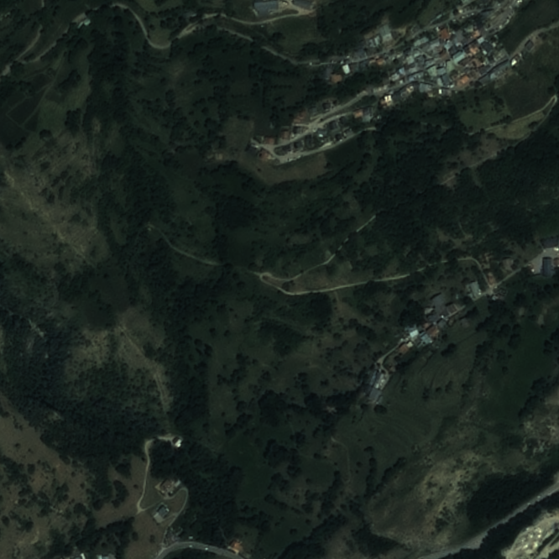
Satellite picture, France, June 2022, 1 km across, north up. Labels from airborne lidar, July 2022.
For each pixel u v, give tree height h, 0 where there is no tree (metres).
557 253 0
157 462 12
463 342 0
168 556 0
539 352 0
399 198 14
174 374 18
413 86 0
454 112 10
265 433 0
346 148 0
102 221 7
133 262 17
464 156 0
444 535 0
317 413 19
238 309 0
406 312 8
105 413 17
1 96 15
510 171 14
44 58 9
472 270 6
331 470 0
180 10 9
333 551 0
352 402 14
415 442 0
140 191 15
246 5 0
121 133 8
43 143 0
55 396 18
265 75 13
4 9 8
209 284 10
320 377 0
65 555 11
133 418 15
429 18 0
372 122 9
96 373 9
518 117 0
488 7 8
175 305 13
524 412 13
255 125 0
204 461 16
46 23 15
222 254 16
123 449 6
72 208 0
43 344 16
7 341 12
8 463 8
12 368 11
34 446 0
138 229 10
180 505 0
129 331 0
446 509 6
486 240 8
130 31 0
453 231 14
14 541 0
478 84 9
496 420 0
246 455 0
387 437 0
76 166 0
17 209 0
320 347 7
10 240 0
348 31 13
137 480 0
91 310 0
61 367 9
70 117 13
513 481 16
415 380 0
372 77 12
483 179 7
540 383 14
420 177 23
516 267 7
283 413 14
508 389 0
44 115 0
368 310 16
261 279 0
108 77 12
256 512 10
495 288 0
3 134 0
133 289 8
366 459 0
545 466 7
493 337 11
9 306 15
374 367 8
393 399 0
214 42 13
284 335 16
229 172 16
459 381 0
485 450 0
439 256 14
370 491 10
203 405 21
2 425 0
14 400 19
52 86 0
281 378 0
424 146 14
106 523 0
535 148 16
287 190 10
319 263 0
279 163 0
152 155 11
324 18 10
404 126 18
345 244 12
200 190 6
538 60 0
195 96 0
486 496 11
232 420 0
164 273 9
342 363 7
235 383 12
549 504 8
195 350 0
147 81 0
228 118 8
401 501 0
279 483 17
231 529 14
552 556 10
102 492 14
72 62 14
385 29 0
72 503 6
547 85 0
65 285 16
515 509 17
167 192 7
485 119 0
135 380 6
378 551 9
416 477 0
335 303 9
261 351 0
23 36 0
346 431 0
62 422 9
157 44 0
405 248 12
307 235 11
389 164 18
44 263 0
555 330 0
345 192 11
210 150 11
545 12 0
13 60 9
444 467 0
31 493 7
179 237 8
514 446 11
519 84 0
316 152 0
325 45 7
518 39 0
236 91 0
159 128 0
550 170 13
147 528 0
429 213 24
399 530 0
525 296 13
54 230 0
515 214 15
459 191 14
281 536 0
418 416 0
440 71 0
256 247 9
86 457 15
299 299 9
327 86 11
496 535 23
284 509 13
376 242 8
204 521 7
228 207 21
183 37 0
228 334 11
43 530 0
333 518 14
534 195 7
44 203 0
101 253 0
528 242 13
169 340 11
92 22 14
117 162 18
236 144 0
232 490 18
